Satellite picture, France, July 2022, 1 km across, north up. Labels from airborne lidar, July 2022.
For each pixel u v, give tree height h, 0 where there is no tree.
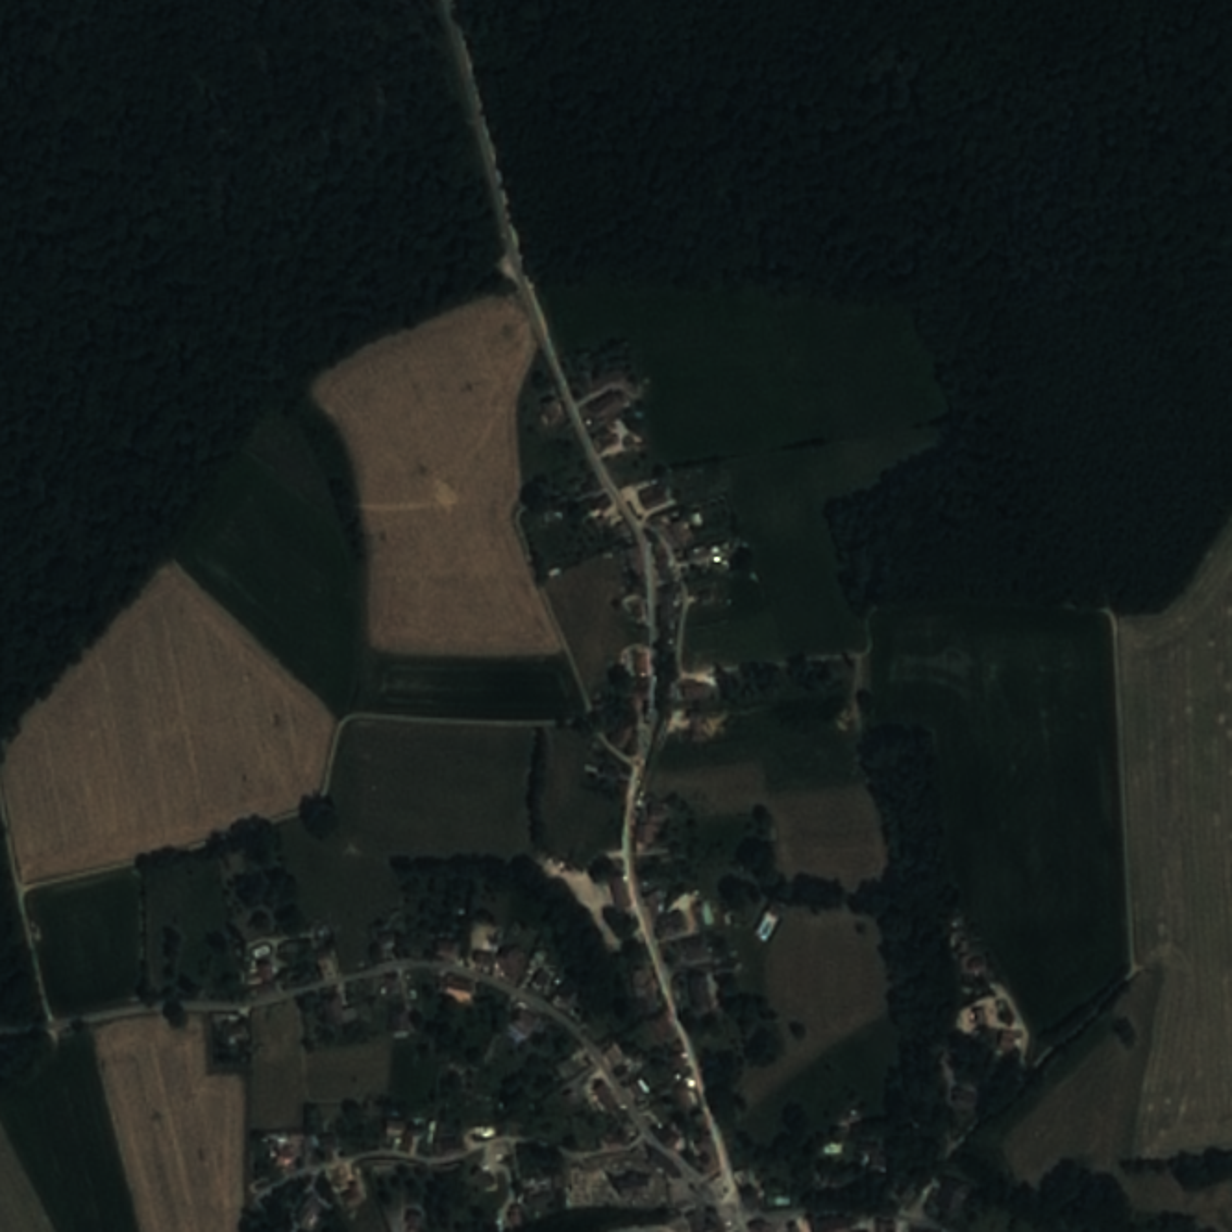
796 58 24
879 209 28
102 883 0
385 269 22
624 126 27
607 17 18
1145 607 14
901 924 30
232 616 0
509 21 19
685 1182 0
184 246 21
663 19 15
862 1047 0
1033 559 17
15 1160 0
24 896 0
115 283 22
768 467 0
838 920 0
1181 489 17
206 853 7
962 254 26
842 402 0
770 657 0
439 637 0
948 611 0
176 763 0
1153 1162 8
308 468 0
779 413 0
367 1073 0
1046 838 0
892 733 19
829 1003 0
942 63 24
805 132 31
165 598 0
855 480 0
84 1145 0
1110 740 0
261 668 0
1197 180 23
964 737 0
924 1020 25
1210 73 28
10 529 19
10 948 14
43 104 24
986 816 0
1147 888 0
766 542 0
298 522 0
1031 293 17
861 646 0
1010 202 24
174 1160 0
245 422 21
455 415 0
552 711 0
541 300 0
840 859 0
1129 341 17
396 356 0
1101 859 0
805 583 0
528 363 0
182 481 22
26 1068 23
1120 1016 0
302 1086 0
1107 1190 25
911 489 21
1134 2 22
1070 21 18
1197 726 0
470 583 0
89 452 19
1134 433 17
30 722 0
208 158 22
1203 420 18
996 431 22
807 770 0
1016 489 22
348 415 0
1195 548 15
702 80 26
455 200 21
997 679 0
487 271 15
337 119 25
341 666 0
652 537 10
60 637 19
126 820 0
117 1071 0
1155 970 0
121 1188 0
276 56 22
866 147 28
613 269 18
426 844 0
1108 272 24
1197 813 0
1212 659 0
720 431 0
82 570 19
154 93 21
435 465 0
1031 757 0
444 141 22
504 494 0
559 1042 11
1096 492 19
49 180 21
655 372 0
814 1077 0
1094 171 18
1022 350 18
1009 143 24
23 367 24
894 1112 20
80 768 0
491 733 0
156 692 0
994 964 6
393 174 24
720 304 0
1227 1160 14
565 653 0
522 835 0
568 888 17
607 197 23
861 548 20
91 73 15
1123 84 28
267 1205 15
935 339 22
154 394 18
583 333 0
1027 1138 0
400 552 0
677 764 0
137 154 25
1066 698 0
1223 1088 0
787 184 29
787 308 0
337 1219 6
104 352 18
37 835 0
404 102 20
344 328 25
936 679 0
